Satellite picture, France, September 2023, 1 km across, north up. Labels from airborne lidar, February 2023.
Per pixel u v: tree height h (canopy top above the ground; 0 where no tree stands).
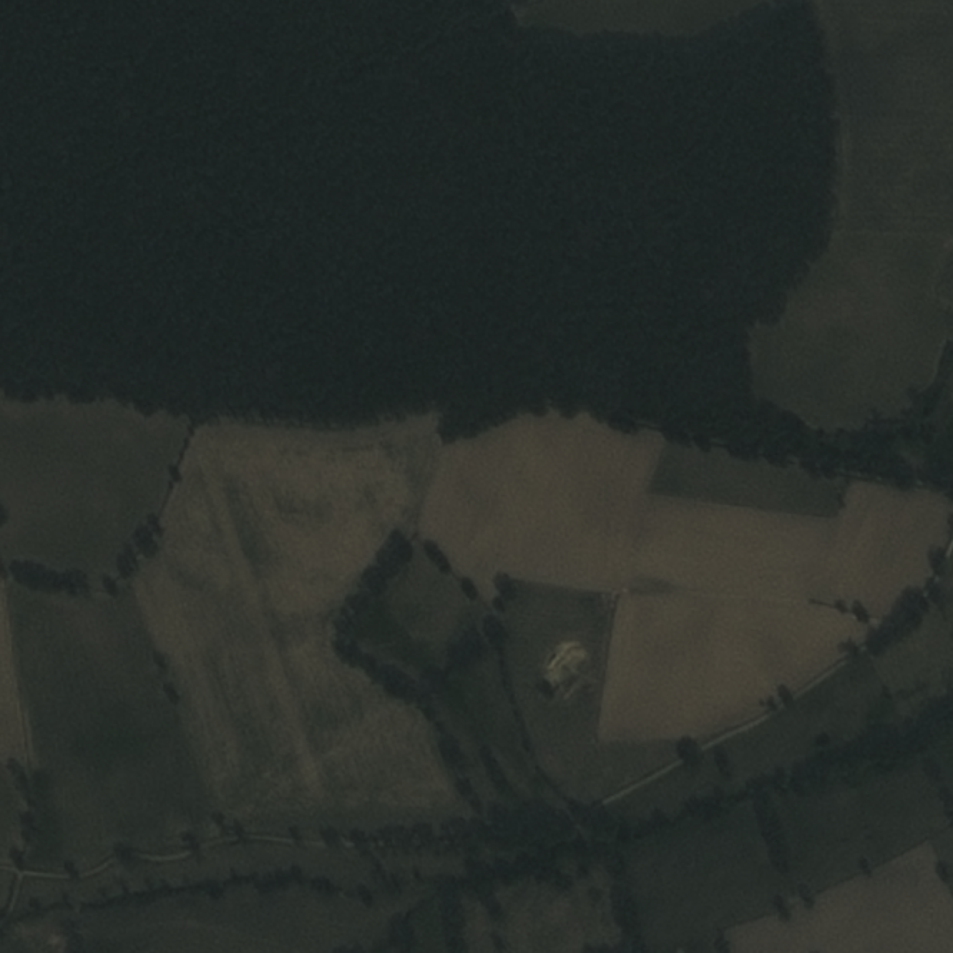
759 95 27
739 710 0
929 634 0
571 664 0
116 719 0
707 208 26
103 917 0
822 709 0
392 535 0
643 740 0
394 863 0
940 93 0
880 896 0
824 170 27
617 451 0
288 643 0
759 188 28
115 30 27
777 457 14
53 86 25
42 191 24
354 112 27
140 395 17
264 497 0
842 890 0
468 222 27
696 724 0
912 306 0
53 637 0
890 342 0
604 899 0
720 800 16
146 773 0
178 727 0
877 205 0
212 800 0
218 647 0
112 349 21
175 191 26
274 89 27
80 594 18
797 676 0
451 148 28
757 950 0
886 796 0
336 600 0
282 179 28
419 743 0
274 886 12
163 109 27
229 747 0
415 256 27
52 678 0
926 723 29
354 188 27
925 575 0
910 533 0
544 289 30
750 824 0
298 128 26
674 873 0
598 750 0
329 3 27
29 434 0
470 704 0
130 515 0
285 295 27
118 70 23
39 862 0
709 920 0
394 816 0
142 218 27
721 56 27
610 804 0
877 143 0
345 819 0
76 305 24
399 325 29
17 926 0
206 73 29
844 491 0
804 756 0
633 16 0
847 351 0
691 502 0
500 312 28
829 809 0
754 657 0
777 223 29
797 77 28
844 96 0
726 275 25
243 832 13
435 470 0
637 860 0
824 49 18
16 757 0
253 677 0
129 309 23
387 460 0
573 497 0
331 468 0
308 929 0
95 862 0
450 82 29
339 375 29
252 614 0
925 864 0
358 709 0
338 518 0
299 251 28
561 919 0
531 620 0
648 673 0
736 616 0
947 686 0
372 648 0
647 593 0
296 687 0
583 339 30
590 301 30
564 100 27
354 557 0
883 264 0
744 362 22
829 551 0
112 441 0
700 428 9
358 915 0
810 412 0
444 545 0
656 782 0
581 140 26
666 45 16
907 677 0
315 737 0
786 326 0
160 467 0
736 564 0
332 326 30
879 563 0
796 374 0
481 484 0
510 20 22
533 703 0
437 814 0
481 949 0
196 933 0
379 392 28
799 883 0
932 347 0
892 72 0
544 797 0
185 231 28
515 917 0
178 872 0
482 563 0
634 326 25
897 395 0
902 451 0
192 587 0
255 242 28
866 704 0
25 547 0
